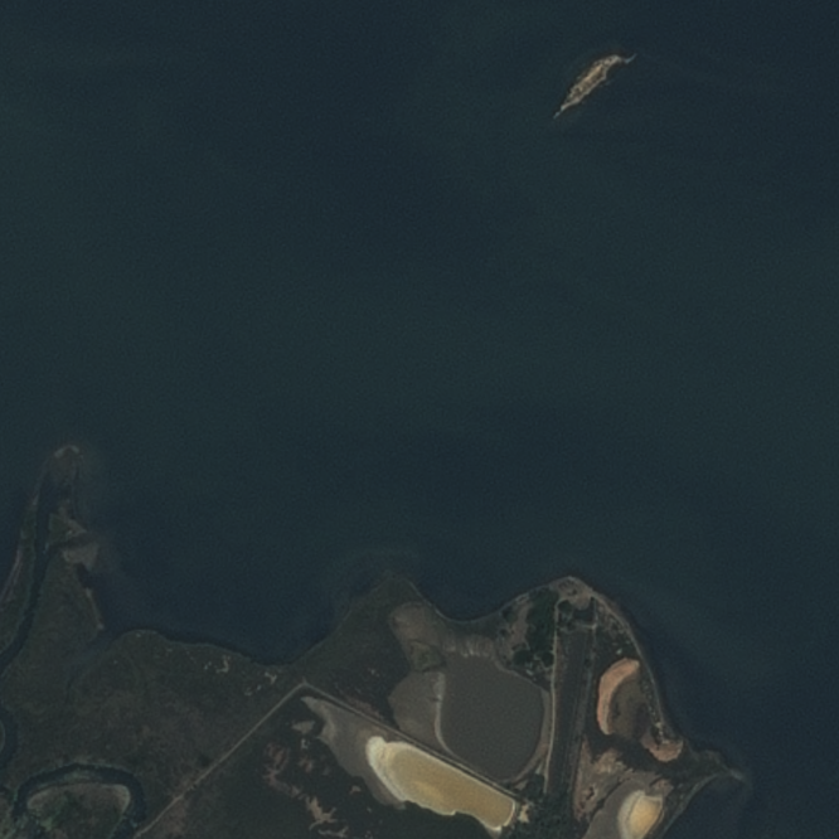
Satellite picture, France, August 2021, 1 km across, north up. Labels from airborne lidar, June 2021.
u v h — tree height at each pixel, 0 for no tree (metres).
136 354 0
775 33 0
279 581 0
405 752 0
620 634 0
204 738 0
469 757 0
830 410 0
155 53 0
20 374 0
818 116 0
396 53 0
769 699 0
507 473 0
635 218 0
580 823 0
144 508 0
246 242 0
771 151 0
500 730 0
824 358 0
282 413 0
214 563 0
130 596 0
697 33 0
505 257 0
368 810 0
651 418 0
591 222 0
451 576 0
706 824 0
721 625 0
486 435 0
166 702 0
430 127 0
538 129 0
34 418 0
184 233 0
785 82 0
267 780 0
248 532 0
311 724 0
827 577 0
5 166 0
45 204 0
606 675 0
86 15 0
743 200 0
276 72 0
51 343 0
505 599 0
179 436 0
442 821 0
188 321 0
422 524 0
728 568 0
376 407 0
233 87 0
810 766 0
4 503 0
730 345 0
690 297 0
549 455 0
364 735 0
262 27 0
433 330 0
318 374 0
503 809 0
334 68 0
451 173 0
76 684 0
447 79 0
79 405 0
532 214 0
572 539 0
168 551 0
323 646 0
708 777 0
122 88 0
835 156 0
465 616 0
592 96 0
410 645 0
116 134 0
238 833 0
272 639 0
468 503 0
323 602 0
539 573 0
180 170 0
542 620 7
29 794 0
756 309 0
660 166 0
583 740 0
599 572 0
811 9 0
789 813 0
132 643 0
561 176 0
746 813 0
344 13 0
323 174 0
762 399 0
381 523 0
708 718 0
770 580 0
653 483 0
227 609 0
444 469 0
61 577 0
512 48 0
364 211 0
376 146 0
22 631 0
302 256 0
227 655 0
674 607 0
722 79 0
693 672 0
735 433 0
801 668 0
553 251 0
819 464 0
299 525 0
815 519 0
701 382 0
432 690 0
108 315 0
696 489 0
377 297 0
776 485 0
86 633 0
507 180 0
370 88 0
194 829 0
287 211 0
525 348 0
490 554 0
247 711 0
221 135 0
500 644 0
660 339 0
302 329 0
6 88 0
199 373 0
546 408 0
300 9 0
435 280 0
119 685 0
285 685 0
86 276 0
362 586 0
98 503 0
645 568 0
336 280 0
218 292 0
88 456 0
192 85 0
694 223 0
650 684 0
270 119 0
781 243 0
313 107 0
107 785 0
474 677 0
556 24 0
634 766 0
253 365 0
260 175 0
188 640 0
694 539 0
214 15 0
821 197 0
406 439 0
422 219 0
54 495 0
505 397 0
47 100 0
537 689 0
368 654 0
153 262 0
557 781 0
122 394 0
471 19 0
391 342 0
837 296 0
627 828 0
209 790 0
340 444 0
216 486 0
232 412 0
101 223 0
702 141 0
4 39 0
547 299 0
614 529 0
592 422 0
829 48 0
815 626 0
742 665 0
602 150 0
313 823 0
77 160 0
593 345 0
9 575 0
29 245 0
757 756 0
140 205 0
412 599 0
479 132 0
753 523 0
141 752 0
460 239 0
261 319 0
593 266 0
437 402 0
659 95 0
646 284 0
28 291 0
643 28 0
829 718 0
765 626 0
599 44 0
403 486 0
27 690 0
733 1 0
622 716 0
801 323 0
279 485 0
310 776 0
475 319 0
